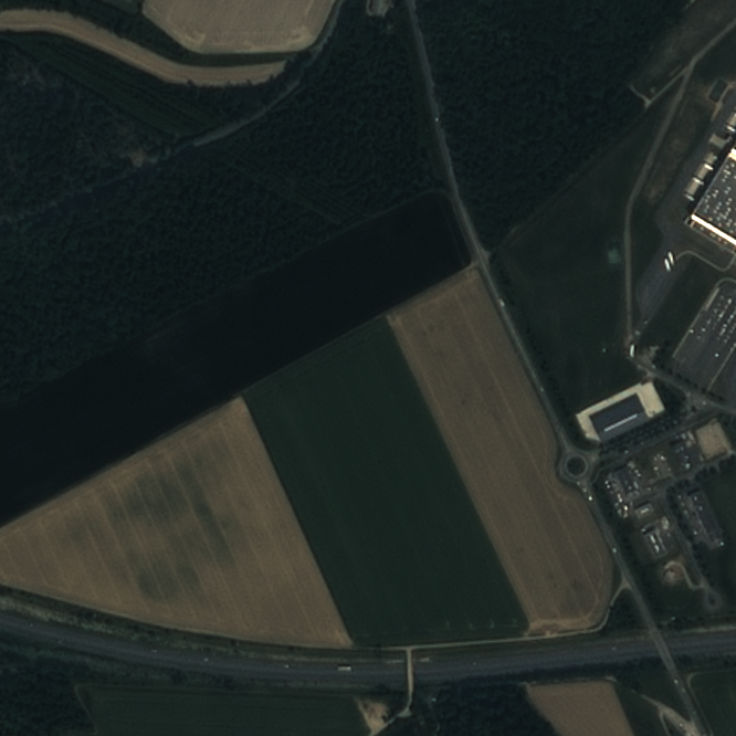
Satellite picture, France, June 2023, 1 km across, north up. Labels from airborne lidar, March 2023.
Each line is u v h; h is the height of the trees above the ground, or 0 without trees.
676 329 0
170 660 0
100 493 0
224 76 0
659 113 0
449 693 7
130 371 0
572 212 0
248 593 0
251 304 0
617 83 25
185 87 7
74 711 7
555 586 0
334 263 0
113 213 13
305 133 19
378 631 0
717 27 0
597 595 0
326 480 0
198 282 7
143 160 0
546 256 0
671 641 0
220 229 12
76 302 16
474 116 24
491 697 17
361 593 0
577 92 21
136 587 0
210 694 0
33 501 0
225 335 0
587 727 0
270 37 0
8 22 0
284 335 0
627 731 0
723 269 0
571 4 23
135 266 17
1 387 24
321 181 13
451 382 0
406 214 0
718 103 0
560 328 0
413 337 0
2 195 21
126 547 0
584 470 0
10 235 22
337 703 0
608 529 0
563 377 0
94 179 18
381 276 0
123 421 0
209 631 0
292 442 0
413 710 10
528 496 0
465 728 26
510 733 23
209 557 0
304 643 0
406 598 0
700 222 0
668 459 0
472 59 19
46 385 0
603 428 0
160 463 0
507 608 0
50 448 0
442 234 0
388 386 0
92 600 0
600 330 0
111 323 25
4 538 0
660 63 0
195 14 0
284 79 11
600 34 24
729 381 0
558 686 0
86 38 0
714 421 0
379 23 15
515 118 23
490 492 0
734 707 0
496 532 0
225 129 0
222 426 0
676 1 22
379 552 0
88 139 21
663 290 0
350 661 0
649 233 0
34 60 13
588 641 0
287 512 0
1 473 0
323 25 0
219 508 0
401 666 0
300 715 0
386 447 0
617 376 0
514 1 20
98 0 9
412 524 0
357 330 0
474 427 0
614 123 18
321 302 0
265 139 15
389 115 11
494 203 19
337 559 0
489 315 0
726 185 0
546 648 0
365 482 0
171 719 0
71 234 24
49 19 0
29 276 21
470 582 0
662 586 0
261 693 0
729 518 0
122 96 0
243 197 11
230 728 0
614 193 0
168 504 0
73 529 0
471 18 20
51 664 8
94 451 0
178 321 0
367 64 15
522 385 0
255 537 0
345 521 0
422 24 17
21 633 0
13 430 0
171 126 0
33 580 0
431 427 0
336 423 0
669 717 0
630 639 0
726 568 0
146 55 0
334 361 0
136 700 0
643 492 0
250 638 0
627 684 11
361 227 0
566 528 0
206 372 0
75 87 11
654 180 0
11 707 16
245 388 0
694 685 0
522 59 26
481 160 18
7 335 13
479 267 0
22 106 22
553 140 24
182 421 0
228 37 0
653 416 0
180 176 13
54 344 23
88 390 0
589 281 0
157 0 0
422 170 12
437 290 0
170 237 13
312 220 7
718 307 0
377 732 0
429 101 0
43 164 27
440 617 0
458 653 0
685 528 8
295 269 0
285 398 0
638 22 25
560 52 21
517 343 0
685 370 0
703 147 0
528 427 0
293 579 0
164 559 0
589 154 14
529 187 22
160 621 0
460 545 0
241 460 0
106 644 0
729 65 0
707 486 0
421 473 0
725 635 0
